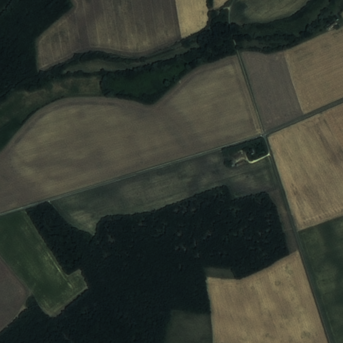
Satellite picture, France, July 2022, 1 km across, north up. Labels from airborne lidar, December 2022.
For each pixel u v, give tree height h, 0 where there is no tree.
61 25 0
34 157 0
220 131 0
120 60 9
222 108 0
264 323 0
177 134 0
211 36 29
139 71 16
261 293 0
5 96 12
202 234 19
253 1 0
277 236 17
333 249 0
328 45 0
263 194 14
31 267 0
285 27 0
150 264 16
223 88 0
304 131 0
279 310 0
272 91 0
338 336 0
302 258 0
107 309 19
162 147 0
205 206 22
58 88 0
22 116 0
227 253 15
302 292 0
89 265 17
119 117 0
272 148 0
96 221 0
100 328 19
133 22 0
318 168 0
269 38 14
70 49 0
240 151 0
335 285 0
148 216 16
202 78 0
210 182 0
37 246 0
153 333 17
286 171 0
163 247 17
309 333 0
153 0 0
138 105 0
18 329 18
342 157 0
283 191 0
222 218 19
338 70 0
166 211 15
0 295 0
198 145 0
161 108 0
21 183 0
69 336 11
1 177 0
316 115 0
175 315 0
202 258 16
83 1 0
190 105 0
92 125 0
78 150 0
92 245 17
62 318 20
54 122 0
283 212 0
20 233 0
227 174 0
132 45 0
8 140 0
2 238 0
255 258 20
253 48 8
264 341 0
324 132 0
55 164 0
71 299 0
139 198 0
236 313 0
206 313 14
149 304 13
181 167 0
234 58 0
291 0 0
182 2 0
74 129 0
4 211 0
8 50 11
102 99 0
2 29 17
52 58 0
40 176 0
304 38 12
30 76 11
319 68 0
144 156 0
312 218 0
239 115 0
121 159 0
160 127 0
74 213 0
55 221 19
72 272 12
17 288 0
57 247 19
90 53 14
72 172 0
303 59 0
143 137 0
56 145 0
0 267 0
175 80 18
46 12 17
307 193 0
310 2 9
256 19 0
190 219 22
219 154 0
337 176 0
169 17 0
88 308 19
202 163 0
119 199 0
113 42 0
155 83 0
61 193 0
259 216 18
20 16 18
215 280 0
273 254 16
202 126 0
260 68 0
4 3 15
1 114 0
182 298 20
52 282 0
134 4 0
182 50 0
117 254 19
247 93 0
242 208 16
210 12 12
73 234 17
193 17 0
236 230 19
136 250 17
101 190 0
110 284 15
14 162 0
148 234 18
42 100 0
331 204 0
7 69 12
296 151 0
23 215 0
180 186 0
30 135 0
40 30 13
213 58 18
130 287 16
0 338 14
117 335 21
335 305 0
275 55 0
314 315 0
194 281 14
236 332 0
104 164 0
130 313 16
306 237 0
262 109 0
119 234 19
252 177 0
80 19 0
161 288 17
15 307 0
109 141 0
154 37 0
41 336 20
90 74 10
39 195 0
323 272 0
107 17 0
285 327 0
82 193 0
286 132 0
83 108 0
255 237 16
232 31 31
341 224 0
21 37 16
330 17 8
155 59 0
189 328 0
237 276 13
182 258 20
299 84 0
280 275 0
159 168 0
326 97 0
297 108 0
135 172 0
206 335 0
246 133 0
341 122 0
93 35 0
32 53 14
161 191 0
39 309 14
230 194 18
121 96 12
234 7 0
